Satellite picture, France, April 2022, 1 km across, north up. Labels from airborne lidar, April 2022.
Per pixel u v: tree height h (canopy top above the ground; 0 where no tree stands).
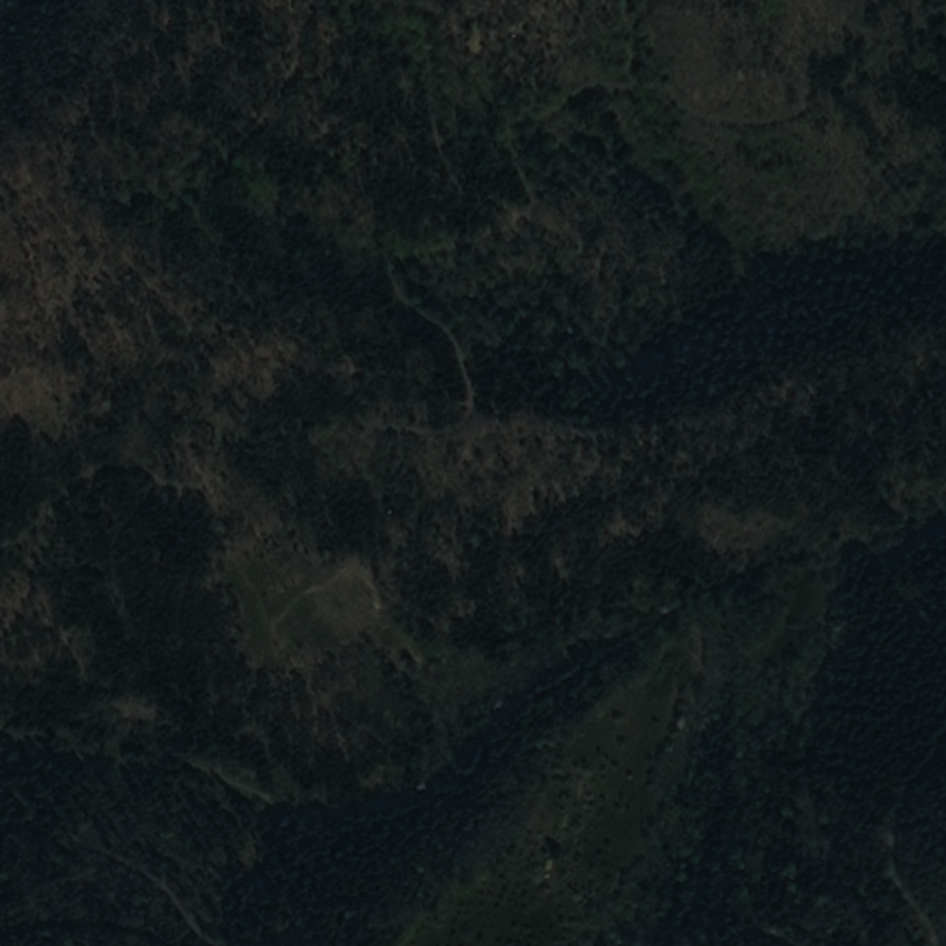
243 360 22
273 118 14
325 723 19
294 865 39
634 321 22
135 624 22
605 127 26
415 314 10
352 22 16
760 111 10
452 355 13
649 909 25
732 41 16
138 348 15
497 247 13
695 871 7
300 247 21
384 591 21
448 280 30
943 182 20
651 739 0
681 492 24
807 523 18
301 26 22
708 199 11
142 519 28
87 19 15
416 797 33
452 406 15
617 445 9
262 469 30
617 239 15
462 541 16
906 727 32
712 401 17
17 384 0
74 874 33
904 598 36
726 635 24
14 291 17
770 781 26
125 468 23
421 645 20
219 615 21
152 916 19
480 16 17
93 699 18
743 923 22
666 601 21
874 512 23
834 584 23
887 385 12
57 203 18
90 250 24
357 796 19
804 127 17
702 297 33
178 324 15
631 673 18
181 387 14
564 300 32
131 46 12
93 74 18
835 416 9
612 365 9
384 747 20
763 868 21
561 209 17
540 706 33
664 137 9
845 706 33
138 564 27
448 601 16
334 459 20
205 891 8
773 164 14
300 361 16
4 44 26
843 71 21
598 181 21
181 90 15
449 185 19
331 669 18
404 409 9
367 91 19
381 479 10
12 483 25
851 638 23
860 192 18
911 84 32
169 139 18
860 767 28
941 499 20
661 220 8
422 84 17
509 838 20
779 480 20
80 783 35
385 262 18
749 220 13
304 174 11
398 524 14
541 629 27
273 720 18
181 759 40
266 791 17
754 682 21
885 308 31
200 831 35
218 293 19
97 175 18
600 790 0
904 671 30
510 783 12
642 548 26
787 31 16
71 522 27
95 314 21
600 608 23
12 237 18
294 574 18
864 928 28
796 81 14
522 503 16
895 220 19
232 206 16
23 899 30
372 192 17
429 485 13
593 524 19
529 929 7
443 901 11
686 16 16
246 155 17
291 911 8
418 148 15
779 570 25
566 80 16
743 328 32
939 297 30
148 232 20
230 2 20
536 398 14
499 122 19
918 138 17
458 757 15
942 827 11
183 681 22
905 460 27
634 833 0
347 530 28
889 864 24
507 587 22
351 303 21
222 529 26
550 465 13
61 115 16
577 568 25
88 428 22
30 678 11
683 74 9
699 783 28
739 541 10
